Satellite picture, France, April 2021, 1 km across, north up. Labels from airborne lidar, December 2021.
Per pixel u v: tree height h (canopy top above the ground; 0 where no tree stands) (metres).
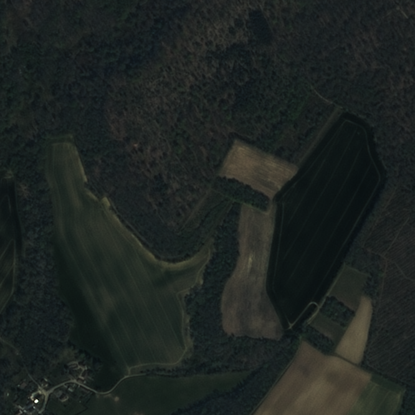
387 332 7
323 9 15
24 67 20
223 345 16
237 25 9
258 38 12
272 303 0
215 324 17
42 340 27
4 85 24
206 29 11
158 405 0
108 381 0
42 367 10
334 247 0
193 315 13
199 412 20
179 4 18
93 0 29
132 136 7
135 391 0
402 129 10
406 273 0
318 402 0
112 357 0
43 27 26
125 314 0
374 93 10
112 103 20
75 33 30
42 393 0
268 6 15
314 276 0
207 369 12
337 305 22
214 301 10
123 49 23
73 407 0
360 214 0
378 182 0
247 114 8
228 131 27
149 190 17
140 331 0
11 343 34
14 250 0
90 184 15
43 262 28
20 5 29
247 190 15
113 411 0
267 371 17
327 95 13
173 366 0
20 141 21
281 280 0
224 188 15
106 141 18
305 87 17
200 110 22
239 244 15
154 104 12
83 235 0
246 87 15
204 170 18
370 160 0
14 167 20
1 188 0
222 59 12
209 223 17
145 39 17
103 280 0
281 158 22
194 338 21
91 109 20
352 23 15
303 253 0
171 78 11
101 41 20
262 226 0
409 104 12
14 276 0
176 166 7
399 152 9
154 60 18
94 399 0
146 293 0
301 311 0
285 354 18
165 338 0
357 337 0
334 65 8
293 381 0
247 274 0
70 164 0
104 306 0
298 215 0
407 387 6
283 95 17
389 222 9
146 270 0
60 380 0
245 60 15
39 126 24
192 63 14
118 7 23
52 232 10
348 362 0
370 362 10
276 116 21
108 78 20
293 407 0
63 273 0
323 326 0
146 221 21
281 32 19
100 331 0
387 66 18
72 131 20
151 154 12
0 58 14
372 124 17
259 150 17
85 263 0
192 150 21
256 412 0
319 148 0
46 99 0
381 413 0
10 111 21
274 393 0
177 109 12
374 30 20
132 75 21
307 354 0
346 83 10
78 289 0
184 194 14
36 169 22
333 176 0
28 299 31
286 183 0
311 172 0
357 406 0
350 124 0
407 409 15
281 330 0
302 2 20
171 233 17
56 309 19
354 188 0
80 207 0
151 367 0
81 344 0
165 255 22
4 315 0
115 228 0
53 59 25
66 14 24
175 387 0
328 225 0
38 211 21
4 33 27
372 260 19
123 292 0
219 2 16
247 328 0
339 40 16
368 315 0
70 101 23
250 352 12
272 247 0
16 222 0
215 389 0
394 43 9
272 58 15
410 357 14
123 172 14
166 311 0
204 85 8
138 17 20
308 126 23
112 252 0
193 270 0
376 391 0
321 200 0
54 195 0
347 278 0
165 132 11
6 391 17
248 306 0
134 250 0
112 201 18
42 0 25
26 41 12
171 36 17
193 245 7
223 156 17
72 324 20
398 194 6
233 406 21
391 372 6
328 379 0
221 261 19
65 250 0
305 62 15
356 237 16
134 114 12
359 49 19
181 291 0
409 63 19
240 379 0
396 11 21
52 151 0
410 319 0
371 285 15
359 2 21
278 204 0
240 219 7
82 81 22
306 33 12
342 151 0
